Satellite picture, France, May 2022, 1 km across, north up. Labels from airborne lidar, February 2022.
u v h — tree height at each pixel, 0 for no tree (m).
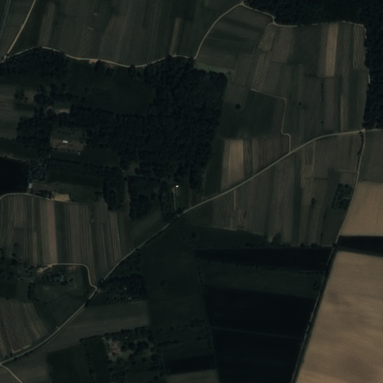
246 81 0
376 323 0
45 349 0
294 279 0
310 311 0
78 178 0
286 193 0
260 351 0
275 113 0
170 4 0
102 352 0
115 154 0
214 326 0
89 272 0
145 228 0
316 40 0
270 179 0
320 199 0
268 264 0
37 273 0
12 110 0
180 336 0
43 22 0
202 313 0
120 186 0
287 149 0
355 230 0
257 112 0
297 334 0
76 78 0
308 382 0
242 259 0
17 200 0
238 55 0
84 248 0
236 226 0
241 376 0
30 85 0
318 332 0
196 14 0
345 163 0
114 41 0
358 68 0
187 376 0
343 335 0
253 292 0
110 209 12
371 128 11
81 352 0
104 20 0
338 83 0
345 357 0
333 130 0
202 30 0
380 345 0
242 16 0
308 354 0
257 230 0
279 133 0
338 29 0
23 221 0
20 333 0
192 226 0
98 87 0
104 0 0
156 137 26
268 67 0
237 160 0
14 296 0
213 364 0
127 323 0
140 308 0
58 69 24
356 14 13
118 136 27
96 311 0
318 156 0
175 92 22
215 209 0
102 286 19
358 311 0
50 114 15
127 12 0
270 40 0
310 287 0
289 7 24
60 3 0
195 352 0
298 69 0
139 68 0
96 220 0
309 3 25
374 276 0
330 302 0
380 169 0
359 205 0
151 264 0
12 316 0
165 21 0
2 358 0
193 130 26
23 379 0
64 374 0
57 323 0
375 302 0
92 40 0
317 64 0
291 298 0
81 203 0
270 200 0
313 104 0
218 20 0
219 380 0
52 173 0
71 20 0
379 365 0
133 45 0
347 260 0
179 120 29
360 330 0
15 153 0
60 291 0
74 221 0
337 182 0
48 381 0
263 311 0
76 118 23
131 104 0
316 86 0
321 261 0
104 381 0
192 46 0
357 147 0
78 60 0
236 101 0
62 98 23
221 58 0
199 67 0
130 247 0
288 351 0
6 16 0
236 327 0
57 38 0
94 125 18
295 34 0
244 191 0
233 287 0
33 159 0
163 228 0
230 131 0
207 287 0
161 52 0
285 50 0
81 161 0
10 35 0
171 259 0
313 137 0
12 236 0
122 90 0
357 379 0
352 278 0
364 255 0
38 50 15
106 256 0
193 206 0
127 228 0
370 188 0
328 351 0
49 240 0
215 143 0
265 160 0
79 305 0
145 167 21
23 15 0
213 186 0
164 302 0
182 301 0
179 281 0
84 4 0
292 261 0
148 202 22
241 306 0
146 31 0
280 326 0
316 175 0
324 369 0
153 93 0
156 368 12
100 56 0
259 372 0
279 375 0
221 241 0
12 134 0
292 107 0
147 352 0
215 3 0
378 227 0
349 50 0
